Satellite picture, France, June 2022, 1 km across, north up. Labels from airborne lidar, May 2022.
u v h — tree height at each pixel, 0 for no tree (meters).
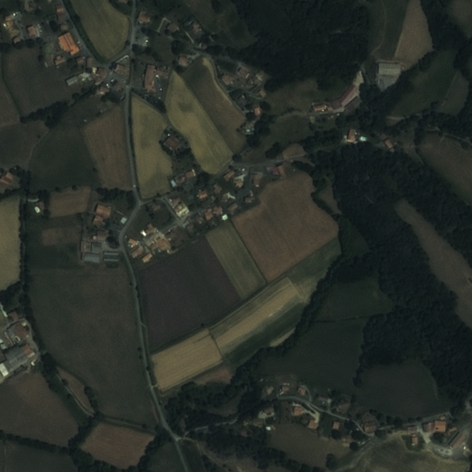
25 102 0
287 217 0
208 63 0
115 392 0
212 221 0
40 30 0
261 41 17
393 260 14
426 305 14
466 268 0
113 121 0
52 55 0
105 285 0
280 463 9
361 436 14
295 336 17
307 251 0
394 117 0
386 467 0
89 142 0
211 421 17
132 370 0
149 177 0
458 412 18
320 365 0
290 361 0
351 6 18
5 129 0
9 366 0
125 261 0
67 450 10
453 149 0
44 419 0
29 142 0
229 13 0
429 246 0
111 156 0
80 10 0
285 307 0
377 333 23
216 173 0
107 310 0
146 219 0
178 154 8
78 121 0
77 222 0
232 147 0
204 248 0
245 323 0
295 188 0
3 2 0
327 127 0
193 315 0
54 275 0
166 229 0
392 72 0
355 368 0
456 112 0
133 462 0
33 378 0
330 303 0
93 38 0
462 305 0
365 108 12
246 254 0
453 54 0
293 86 0
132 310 0
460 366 27
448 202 25
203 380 0
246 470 0
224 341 0
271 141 0
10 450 0
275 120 12
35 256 0
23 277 14
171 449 0
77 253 0
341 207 16
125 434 0
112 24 0
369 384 0
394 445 0
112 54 0
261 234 0
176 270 0
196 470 0
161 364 0
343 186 12
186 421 11
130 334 0
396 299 15
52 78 0
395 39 0
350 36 23
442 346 31
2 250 0
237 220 0
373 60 0
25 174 14
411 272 15
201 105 0
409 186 13
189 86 0
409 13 0
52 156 0
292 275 0
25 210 11
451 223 17
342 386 0
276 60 21
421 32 0
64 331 0
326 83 18
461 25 0
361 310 0
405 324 24
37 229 0
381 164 8
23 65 0
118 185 0
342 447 0
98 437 0
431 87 0
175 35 15
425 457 0
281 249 0
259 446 17
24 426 0
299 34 14
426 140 0
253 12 8
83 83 0
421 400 0
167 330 0
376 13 0
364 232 19
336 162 18
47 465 0
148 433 0
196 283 0
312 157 14
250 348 0
